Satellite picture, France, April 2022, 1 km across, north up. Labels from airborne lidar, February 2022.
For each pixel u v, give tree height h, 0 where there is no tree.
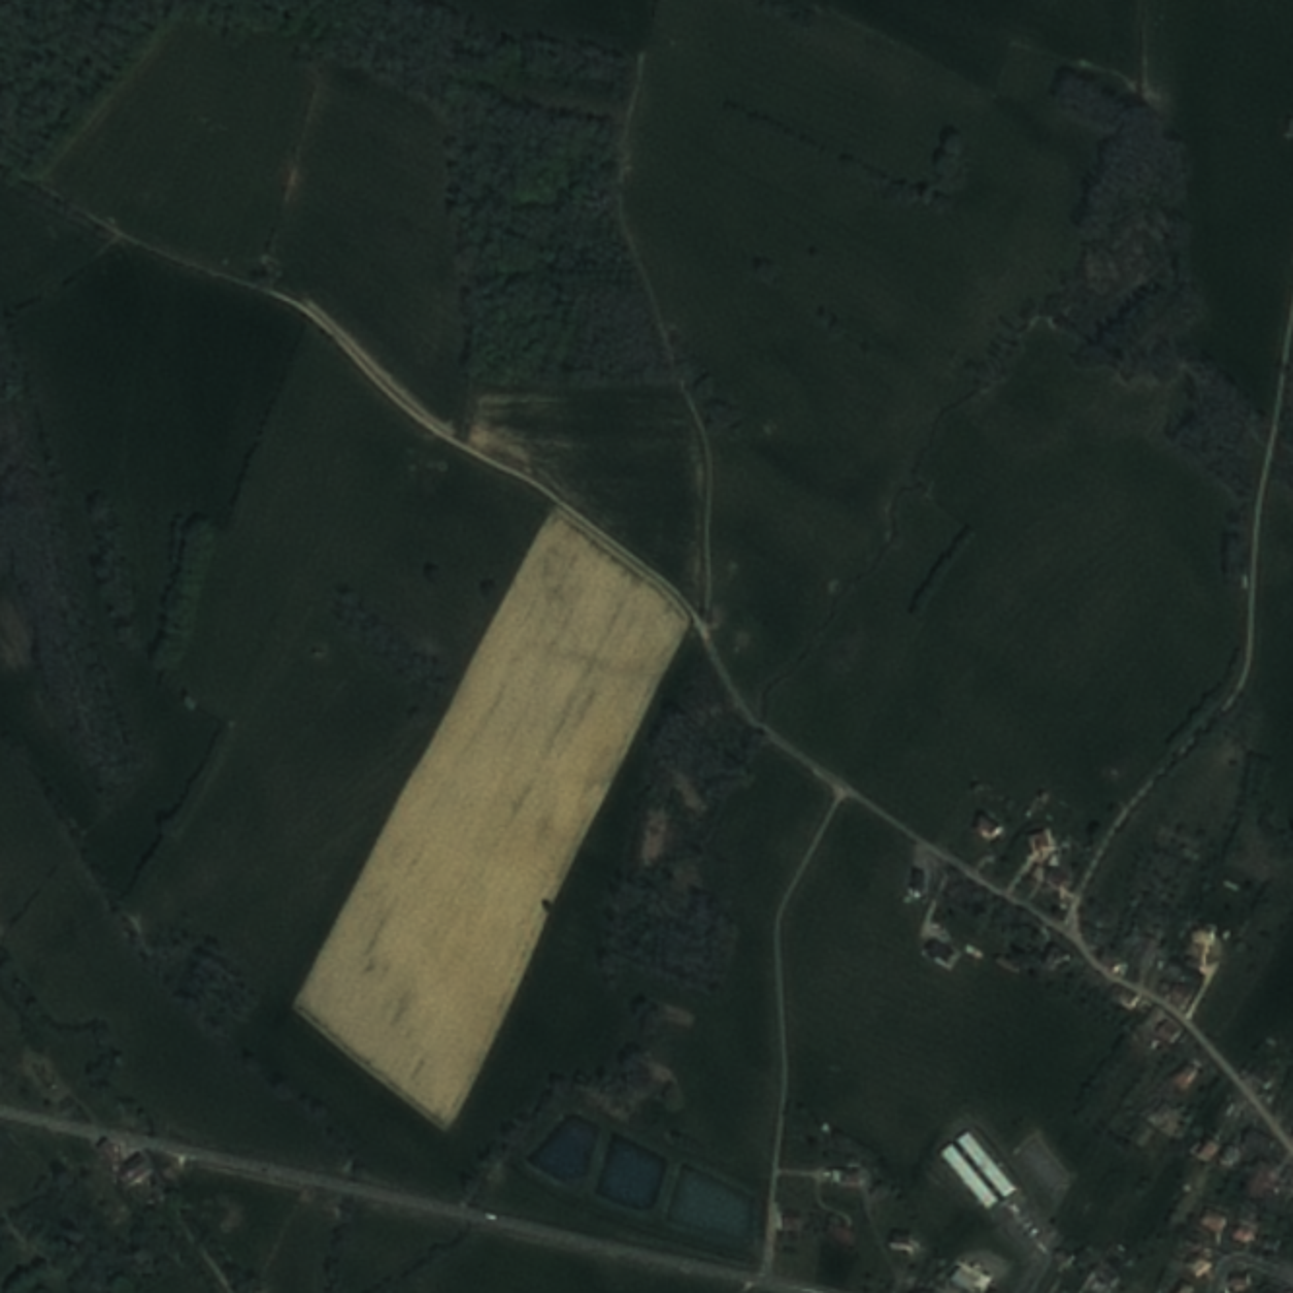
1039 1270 0
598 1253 0
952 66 0
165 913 0
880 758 0
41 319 0
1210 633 0
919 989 0
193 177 0
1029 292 0
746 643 0
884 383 0
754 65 0
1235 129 0
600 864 0
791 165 0
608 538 0
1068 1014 0
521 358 24
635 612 0
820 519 0
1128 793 0
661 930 15
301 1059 0
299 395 0
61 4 24
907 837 0
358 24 26
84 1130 0
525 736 0
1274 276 0
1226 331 0
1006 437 0
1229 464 23
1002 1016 0
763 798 0
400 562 0
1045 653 0
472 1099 0
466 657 0
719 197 0
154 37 26
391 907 0
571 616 0
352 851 0
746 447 0
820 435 0
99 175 0
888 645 0
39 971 0
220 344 0
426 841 0
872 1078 0
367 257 0
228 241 0
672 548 0
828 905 0
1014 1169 0
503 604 0
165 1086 0
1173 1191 0
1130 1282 0
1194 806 0
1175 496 0
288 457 0
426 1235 0
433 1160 0
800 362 0
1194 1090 0
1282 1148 0
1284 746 0
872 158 0
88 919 0
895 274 0
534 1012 0
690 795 0
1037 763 0
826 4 0
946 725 0
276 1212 0
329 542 0
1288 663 0
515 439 0
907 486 0
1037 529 0
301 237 0
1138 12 0
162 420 0
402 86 16
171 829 16
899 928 0
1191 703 0
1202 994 0
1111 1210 0
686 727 27
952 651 0
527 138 27
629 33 0
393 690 0
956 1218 0
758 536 0
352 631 16
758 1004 0
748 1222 0
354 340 0
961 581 0
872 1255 0
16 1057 0
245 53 0
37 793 0
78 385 0
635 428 0
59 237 0
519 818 0
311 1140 0
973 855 0
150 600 0
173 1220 0
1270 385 0
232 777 0
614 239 10
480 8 0
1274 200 0
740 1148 0
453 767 0
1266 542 0
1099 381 0
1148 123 28
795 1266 0
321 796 0
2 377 24
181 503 0
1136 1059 0
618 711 0
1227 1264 0
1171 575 0
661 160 0
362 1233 0
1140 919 6
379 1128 0
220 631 0
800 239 0
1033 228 0
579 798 0
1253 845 0
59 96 24
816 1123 0
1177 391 0
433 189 0
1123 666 0
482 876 0
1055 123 0
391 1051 0
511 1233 0
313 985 0
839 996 0
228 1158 0
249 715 0
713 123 0
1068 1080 0
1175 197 21
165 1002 0
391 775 0
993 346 0
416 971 0
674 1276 0
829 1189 0
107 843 0
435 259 0
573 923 0
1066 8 0
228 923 0
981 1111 0
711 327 0
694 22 0
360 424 0
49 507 16
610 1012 0
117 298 0
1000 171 0
